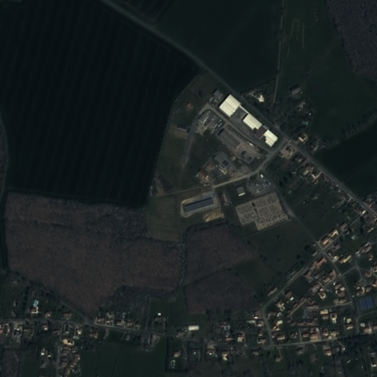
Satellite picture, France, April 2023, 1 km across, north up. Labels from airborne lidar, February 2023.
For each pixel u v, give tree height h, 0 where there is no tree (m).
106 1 0
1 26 0
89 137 0
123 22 0
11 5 0
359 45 22
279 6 0
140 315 0
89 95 0
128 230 8
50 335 7
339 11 19
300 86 0
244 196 0
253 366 0
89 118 0
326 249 0
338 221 0
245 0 0
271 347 0
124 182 0
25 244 18
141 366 0
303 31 0
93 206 15
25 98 0
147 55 0
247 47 0
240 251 14
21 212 18
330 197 0
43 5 0
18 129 0
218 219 0
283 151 0
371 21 25
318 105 0
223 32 0
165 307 0
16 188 0
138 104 0
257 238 0
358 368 0
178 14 0
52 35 0
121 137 0
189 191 0
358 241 0
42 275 20
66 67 0
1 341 0
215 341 15
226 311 10
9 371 12
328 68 0
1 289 0
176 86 0
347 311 7
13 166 0
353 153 0
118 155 0
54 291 17
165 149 0
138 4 0
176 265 17
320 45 0
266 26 0
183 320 0
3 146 17
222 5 0
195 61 0
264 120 0
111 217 12
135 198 0
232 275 11
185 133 0
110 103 0
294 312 0
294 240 0
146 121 0
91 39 0
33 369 0
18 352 11
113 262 21
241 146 0
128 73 0
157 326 13
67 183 0
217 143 0
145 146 0
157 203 0
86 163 0
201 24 0
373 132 0
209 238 11
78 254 21
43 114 0
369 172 0
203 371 0
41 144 0
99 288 22
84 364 0
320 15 0
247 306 12
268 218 0
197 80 0
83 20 0
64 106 0
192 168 0
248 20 0
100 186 0
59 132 0
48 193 0
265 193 0
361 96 0
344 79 0
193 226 0
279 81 0
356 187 0
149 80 0
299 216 0
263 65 0
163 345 0
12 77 0
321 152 0
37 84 0
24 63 0
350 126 0
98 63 0
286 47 0
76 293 21
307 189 0
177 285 7
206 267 12
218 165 0
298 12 0
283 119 14
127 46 0
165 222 0
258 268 0
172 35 0
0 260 0
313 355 0
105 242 19
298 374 12
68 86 0
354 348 11
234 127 0
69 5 0
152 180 6
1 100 0
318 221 0
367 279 0
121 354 0
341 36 13
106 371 0
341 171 0
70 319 0
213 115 0
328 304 0
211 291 15
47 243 21
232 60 0
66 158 0
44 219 20
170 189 0
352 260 0
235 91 0
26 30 0
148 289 9
